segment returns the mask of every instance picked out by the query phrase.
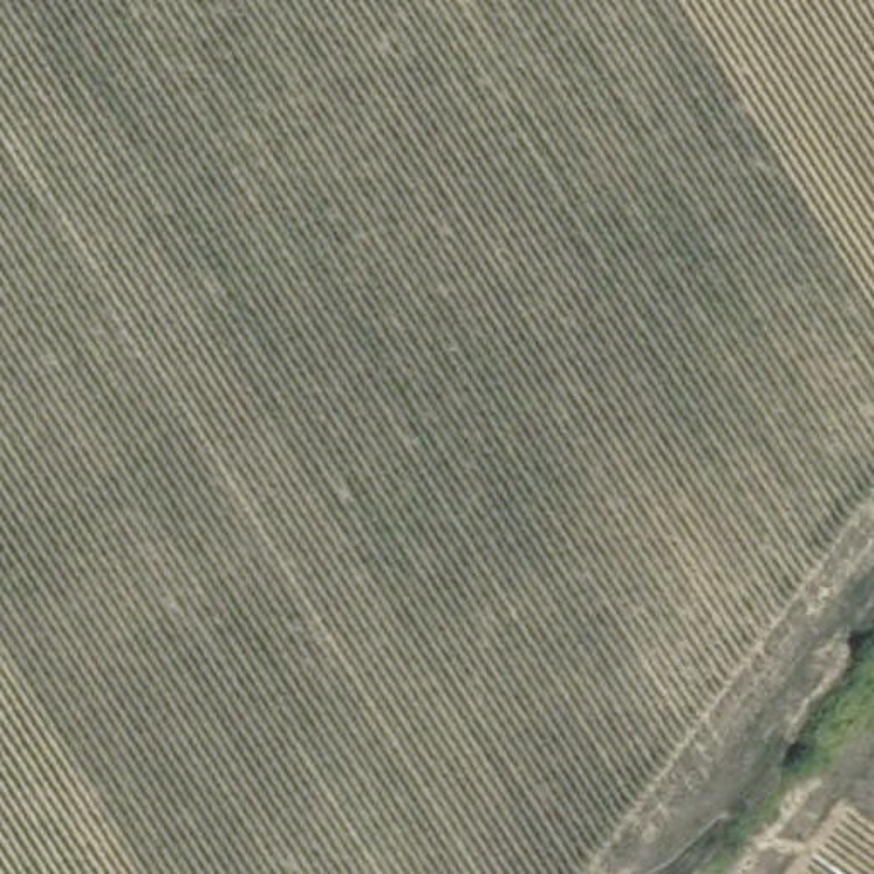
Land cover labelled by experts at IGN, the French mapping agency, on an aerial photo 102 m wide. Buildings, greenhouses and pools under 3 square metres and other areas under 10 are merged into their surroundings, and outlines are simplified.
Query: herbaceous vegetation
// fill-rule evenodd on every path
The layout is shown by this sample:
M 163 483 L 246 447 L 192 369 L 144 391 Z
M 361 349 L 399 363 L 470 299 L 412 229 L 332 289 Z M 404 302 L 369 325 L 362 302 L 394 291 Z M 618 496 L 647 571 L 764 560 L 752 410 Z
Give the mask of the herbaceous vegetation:
M 632 874 L 707 874 L 707 867 L 720 854 L 727 854 L 731 830 L 741 823 L 741 816 L 761 809 L 775 795 L 775 789 L 768 785 L 768 772 L 785 765 L 785 751 L 795 741 L 809 707 L 847 669 L 850 635 L 840 628 L 836 597 L 826 601 L 819 625 L 799 638 L 792 669 L 761 700 L 758 714 L 744 724 L 744 731 L 724 748 L 724 758 L 710 765 L 707 782 L 696 789 L 679 789 L 673 795 L 669 830 L 659 833 L 656 843 L 642 840 L 635 830 L 611 843 L 611 857 L 604 860 L 604 867 L 618 871 L 628 864 Z
M 741 857 L 731 864 L 727 874 L 785 874 L 795 860 L 789 854 L 792 843 L 813 840 L 830 819 L 833 806 L 847 802 L 867 819 L 874 819 L 874 724 L 840 755 L 840 761 L 826 775 L 809 775 L 785 792 L 775 823 L 768 823 L 751 843 L 744 843 Z

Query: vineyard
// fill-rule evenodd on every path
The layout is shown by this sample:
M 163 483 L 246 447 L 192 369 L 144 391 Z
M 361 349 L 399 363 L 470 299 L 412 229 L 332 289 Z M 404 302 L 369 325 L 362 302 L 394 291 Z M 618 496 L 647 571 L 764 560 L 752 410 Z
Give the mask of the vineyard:
M 656 843 L 659 833 L 669 830 L 673 795 L 679 789 L 696 789 L 707 782 L 710 765 L 724 758 L 724 748 L 744 731 L 744 724 L 758 714 L 761 700 L 792 669 L 799 638 L 819 625 L 826 601 L 836 597 L 857 574 L 874 567 L 874 0 L 0 0 L 0 874 L 632 874 L 628 864 L 618 871 L 604 867 L 604 860 L 611 857 L 611 843 L 635 830 L 642 840 Z
M 789 854 L 795 860 L 785 874 L 874 874 L 874 819 L 867 819 L 847 802 L 833 806 L 830 819 L 813 840 L 792 843 Z

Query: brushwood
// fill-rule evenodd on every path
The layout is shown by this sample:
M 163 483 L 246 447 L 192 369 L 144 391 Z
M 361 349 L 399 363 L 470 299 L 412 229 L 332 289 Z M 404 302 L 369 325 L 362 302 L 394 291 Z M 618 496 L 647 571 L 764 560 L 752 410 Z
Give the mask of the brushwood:
M 741 823 L 731 830 L 727 854 L 720 854 L 707 867 L 707 874 L 727 874 L 731 864 L 741 857 L 744 843 L 751 843 L 768 823 L 775 823 L 785 792 L 809 775 L 826 775 L 840 761 L 840 755 L 874 724 L 874 567 L 857 574 L 836 597 L 840 628 L 850 635 L 847 669 L 809 707 L 795 741 L 785 751 L 785 765 L 768 772 L 768 785 L 775 789 L 775 795 L 761 809 L 741 816 Z

